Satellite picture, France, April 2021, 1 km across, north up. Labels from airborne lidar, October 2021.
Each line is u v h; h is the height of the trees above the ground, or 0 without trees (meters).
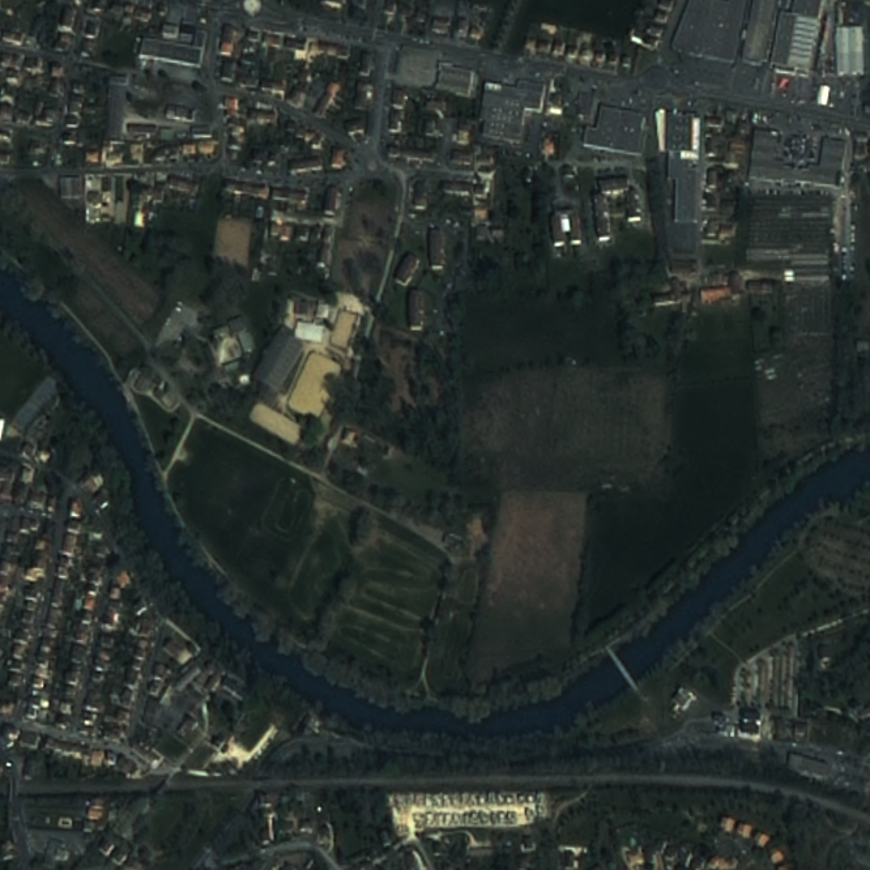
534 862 7
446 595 21
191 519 0
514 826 0
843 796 5
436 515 14
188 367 0
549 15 0
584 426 0
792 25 0
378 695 19
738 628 12
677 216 0
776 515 0
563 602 0
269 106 0
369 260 13
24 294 13
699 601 0
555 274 0
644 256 0
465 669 16
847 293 15
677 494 0
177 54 0
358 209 0
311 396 0
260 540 0
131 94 0
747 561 0
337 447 0
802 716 6
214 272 24
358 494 19
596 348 0
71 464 13
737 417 0
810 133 0
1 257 22
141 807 11
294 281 7
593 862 8
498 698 16
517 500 0
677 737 0
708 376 0
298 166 0
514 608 0
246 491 0
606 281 0
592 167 0
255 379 11
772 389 0
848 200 0
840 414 17
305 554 0
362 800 20
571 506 0
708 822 8
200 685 14
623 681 0
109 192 0
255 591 0
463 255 16
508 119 0
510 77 0
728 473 0
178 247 20
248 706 19
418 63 0
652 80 0
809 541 6
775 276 0
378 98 0
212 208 0
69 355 0
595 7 0
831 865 10
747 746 0
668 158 0
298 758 9
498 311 0
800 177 0
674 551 0
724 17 0
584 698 0
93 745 0
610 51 9
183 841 18
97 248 0
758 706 8
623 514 0
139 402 0
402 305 0
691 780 0
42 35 8
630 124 0
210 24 0
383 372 0
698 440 0
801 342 0
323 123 0
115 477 21
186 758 0
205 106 0
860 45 0
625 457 0
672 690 0
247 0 0
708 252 0
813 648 5
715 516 0
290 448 6
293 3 7
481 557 10
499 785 0
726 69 0
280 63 0
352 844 0
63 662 7
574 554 0
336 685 18
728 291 0
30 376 0
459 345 10
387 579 0
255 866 9
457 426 16
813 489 0
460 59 0
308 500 0
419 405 18
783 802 14
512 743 21
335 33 6
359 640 0
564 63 0
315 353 0
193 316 0
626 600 0
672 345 21
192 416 0
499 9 0
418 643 0
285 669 0
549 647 0
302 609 0
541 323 0
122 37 0
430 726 0
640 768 19
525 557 0
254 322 0
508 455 0
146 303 0
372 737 20
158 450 0
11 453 0
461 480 9
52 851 0
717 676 0
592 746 18
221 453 0
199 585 0
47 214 0
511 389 0
